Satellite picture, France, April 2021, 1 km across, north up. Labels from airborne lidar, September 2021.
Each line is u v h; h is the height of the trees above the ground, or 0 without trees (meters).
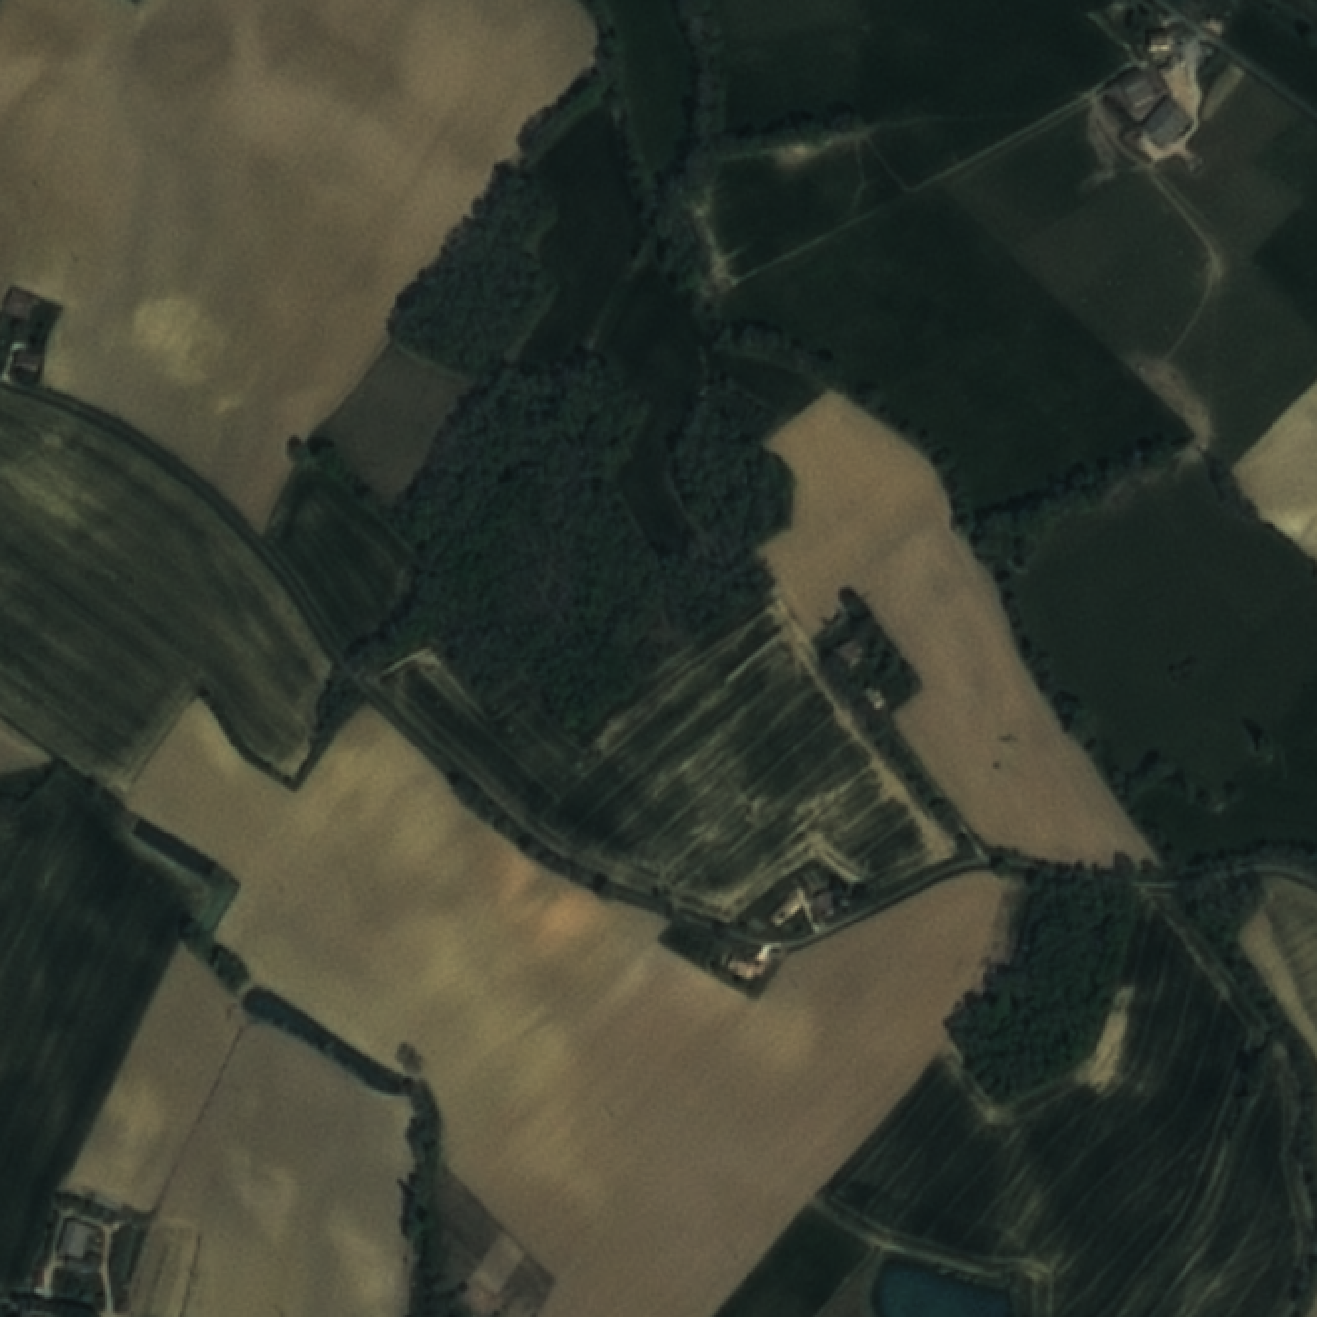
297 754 0
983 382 0
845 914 13
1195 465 0
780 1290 0
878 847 0
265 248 0
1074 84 0
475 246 16
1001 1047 19
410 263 0
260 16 0
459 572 16
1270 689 0
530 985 0
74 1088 0
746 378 0
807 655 0
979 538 8
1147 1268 0
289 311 0
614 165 0
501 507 23
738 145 18
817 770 0
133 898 0
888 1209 0
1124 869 16
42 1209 0
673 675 0
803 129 19
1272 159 0
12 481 0
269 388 0
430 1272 8
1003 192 0
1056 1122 0
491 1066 0
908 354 0
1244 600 0
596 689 17
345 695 12
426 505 17
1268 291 0
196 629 0
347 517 0
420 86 0
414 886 0
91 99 0
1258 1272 0
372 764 0
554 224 19
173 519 0
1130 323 0
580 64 0
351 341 0
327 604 0
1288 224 0
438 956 0
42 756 0
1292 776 0
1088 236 0
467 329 18
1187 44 0
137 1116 0
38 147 0
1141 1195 0
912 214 0
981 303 0
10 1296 0
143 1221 0
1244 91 0
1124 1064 0
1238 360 0
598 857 0
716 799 0
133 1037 0
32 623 0
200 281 0
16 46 0
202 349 0
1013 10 0
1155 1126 0
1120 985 15
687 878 0
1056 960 19
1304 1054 17
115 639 0
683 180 20
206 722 0
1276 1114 0
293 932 0
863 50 0
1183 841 0
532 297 16
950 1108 0
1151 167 0
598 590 19
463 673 16
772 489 14
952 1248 0
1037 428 0
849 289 0
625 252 0
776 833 0
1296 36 0
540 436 28
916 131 0
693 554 20
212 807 0
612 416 25
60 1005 0
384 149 0
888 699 13
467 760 0
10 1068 0
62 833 0
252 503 0
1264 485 0
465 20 0
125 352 0
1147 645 0
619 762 0
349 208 0
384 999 0
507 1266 0
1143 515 0
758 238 0
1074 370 0
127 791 0
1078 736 23
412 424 0
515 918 0
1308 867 14
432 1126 14
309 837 0
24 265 0
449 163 0
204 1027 0
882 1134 0
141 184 0
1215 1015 0
